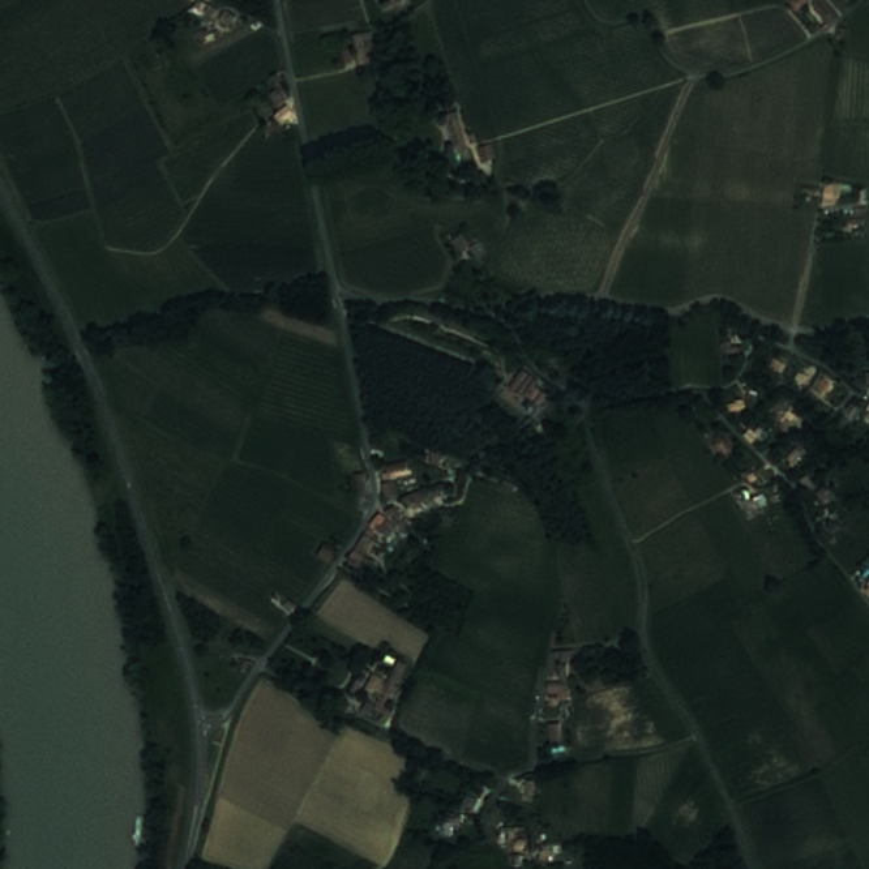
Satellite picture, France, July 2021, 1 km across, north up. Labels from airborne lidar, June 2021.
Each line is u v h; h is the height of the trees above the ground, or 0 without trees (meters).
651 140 0
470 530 0
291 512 0
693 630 0
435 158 27
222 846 0
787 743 0
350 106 0
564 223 0
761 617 0
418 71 9
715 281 0
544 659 0
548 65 0
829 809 0
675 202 0
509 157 0
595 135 0
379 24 7
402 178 28
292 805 0
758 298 0
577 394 23
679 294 0
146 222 0
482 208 0
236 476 0
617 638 0
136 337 22
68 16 0
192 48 0
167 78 0
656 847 8
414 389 18
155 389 0
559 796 0
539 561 0
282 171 0
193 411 0
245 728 0
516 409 0
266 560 0
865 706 0
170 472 0
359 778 0
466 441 18
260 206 0
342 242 0
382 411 16
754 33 0
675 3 0
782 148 0
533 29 0
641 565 0
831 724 0
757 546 0
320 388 0
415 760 16
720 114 0
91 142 0
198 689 0
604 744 0
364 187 0
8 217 0
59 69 0
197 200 0
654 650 0
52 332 14
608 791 0
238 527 0
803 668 0
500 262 0
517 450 8
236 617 0
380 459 13
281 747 0
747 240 0
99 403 0
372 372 16
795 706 0
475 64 0
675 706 0
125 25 0
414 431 19
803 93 0
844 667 0
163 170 0
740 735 0
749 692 0
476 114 0
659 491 0
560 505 12
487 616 0
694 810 0
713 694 0
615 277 0
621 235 0
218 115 0
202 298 14
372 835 0
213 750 0
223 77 0
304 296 16
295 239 0
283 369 0
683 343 0
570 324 24
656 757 0
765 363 9
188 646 0
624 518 0
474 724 0
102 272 0
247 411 0
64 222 0
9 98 0
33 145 0
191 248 0
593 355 16
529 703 0
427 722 0
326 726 8
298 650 0
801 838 0
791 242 0
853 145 0
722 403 14
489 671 0
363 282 0
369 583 12
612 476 0
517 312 8
